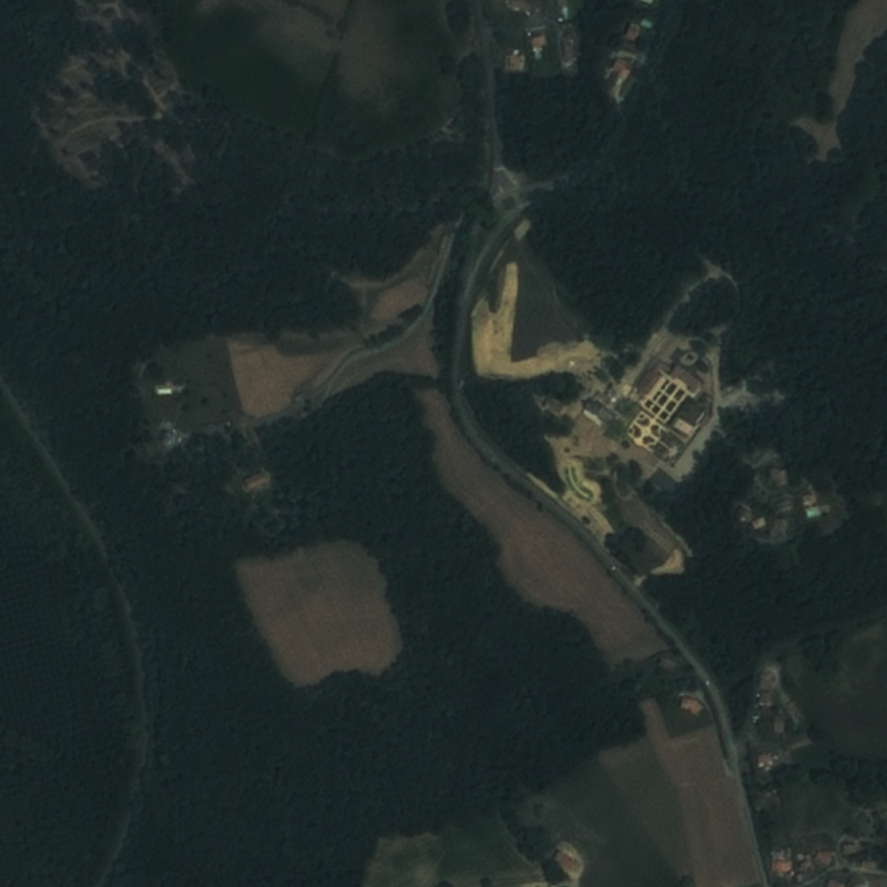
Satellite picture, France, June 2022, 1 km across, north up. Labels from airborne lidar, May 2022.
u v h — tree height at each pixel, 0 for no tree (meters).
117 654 25
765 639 26
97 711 11
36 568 21
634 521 0
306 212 26
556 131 30
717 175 19
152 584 24
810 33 18
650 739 0
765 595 21
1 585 28
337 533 19
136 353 17
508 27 0
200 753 24
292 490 30
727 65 7
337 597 0
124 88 29
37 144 15
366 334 0
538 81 11
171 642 22
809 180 25
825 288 27
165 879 14
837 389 26
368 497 32
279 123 0
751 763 7
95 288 30
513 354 0
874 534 12
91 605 27
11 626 27
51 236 26
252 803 24
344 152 0
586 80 24
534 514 0
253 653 22
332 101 0
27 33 16
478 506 0
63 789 16
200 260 26
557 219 19
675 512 22
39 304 26
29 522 8
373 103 0
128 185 22
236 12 0
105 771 20
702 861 0
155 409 0
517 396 19
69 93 22
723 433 16
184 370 0
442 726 23
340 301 30
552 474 19
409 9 0
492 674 23
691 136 23
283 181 22
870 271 11
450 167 24
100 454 25
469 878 0
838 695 0
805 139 18
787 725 9
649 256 23
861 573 13
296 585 0
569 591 0
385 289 0
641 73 17
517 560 0
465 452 0
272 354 0
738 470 21
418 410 9
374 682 22
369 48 0
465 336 0
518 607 11
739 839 0
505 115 21
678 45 25
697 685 12
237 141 21
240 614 19
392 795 25
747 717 8
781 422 28
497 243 0
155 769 11
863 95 21
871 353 24
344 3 0
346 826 24
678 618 17
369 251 27
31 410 11
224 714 22
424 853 0
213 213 26
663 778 0
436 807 27
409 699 28
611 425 20
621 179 21
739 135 9
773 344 17
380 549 28
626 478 15
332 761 27
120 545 7
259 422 0
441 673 22
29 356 23
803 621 23
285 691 18
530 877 0
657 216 14
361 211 23
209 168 25
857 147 22
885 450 19
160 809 26
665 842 0
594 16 26
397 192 22
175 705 25
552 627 27
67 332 26
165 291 31
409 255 18
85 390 20
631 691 9
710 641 6
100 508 24
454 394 11
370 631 0
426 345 0
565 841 0
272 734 20
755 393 22
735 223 24
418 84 0
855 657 0
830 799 0
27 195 23
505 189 0
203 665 23
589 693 21
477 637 19
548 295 0
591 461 0
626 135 24
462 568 20
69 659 13
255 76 0
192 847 23
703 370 15
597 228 25
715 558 23
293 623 0
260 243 29
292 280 31
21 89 19
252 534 26
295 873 26
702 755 0
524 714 27
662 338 0
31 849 16
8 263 35
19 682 27
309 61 0
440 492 13
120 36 24
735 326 11
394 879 0
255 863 22
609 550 18
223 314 26
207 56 0
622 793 0
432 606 25
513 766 18
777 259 18
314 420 19
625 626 0
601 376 17
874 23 0
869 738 0
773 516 7
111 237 27
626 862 0
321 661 0
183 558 24
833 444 29
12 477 13
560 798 0
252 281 25
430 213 19
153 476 12
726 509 19
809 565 10
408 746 22
